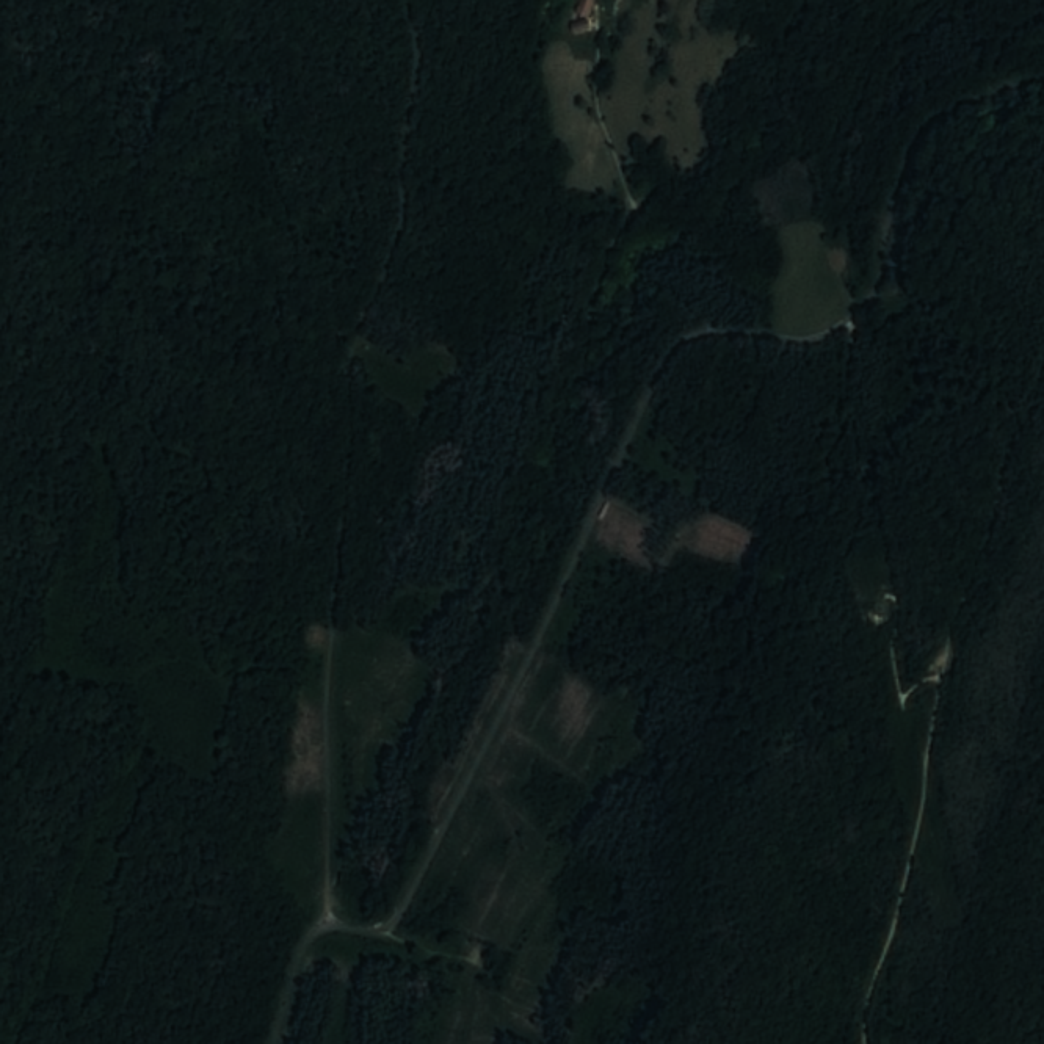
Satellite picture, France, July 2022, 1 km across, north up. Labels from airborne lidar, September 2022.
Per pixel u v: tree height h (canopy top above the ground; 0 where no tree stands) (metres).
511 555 26
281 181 15
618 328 20
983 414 15
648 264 21
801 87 13
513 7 12
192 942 7
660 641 9
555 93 0
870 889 10
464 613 29
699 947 8
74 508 19
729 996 10
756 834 14
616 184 8
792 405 18
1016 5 19
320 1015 23
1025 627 9
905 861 8
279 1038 0
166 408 14
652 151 13
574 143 0
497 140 15
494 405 29
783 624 19
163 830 19
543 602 13
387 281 7
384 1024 16
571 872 8
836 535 21
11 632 17
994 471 9
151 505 17
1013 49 34
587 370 13
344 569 14
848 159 16
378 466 16
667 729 28
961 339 20
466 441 29
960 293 15
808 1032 16
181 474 19
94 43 18
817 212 8
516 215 20
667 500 18
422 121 17
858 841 15
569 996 24
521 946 6
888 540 11
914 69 28
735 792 16
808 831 13
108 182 15
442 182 22
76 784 17
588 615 12
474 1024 0
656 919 18
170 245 26
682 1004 12
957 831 7
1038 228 14
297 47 14
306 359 18
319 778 0
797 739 10
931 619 15
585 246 18
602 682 12
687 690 19
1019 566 8
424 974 19
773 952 15
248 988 17
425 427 19
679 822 20
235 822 21
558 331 30
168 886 20
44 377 20
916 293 21
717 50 0
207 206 16
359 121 18
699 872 13
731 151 28
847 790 15
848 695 14
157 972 18
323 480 15
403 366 18
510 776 0
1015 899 18
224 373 23
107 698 19
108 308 16
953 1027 17
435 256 14
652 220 21
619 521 0
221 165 6
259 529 16
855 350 16
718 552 0
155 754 24
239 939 18
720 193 26
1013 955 16
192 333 20
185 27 14
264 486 10
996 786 7
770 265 8
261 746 16
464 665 22
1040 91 14
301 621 16
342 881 8
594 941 16
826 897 16
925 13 12
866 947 16
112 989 20
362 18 15
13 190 25
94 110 17
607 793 24
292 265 16
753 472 20
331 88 21
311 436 17
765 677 22
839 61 19
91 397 25
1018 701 12
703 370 19
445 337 20
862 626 13
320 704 0
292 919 17
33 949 11
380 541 16
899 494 15
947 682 9
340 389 22
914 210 27
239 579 11
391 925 0
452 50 17
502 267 17
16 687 21
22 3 14
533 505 16
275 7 18
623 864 24
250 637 22
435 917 8
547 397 26
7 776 24
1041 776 20
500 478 26
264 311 19
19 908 11
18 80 15
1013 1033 13
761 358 23
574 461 13
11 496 18
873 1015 12
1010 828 19
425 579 27
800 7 19
